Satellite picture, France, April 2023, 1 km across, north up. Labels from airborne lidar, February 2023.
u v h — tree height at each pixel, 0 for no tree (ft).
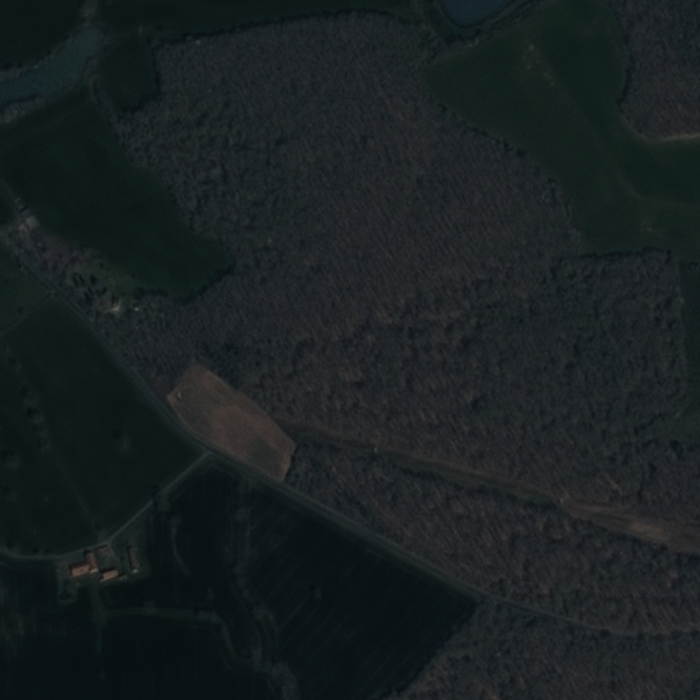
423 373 71
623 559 64
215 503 0
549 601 45
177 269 0
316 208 70
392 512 74
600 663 61
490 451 68
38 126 0
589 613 54
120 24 0
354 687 0
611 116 0
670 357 30
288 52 78
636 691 62
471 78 0
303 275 73
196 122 23
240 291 80
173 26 0
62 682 0
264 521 0
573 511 0
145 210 0
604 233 0
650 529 0
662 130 69
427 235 90
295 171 79
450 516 85
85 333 0
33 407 48
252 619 46
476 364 61
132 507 0
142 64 0
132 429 0
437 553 67
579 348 71
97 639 0
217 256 0
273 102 79
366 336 88
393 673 0
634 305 73
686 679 78
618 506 71
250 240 64
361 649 0
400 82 60
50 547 0
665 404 65
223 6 0
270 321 65
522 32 0
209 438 0
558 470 79
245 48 59
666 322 28
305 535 0
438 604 0
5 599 0
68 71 0
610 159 0
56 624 0
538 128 0
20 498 0
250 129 79
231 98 81
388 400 80
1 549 0
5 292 0
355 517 50
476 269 77
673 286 57
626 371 61
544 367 63
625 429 49
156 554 0
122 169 0
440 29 0
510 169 82
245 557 0
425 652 0
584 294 73
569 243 77
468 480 0
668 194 0
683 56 73
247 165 80
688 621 77
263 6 0
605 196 0
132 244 0
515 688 74
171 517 43
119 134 45
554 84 0
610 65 0
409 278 89
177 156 39
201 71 85
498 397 77
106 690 0
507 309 74
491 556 79
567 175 0
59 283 38
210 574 0
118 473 0
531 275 78
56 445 0
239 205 69
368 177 86
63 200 0
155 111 76
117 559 0
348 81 84
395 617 0
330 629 0
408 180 83
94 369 0
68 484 0
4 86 0
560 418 80
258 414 0
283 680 54
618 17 32
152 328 59
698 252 0
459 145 70
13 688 0
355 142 85
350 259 81
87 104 0
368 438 26
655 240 0
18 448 0
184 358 76
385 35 55
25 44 0
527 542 70
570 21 0
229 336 81
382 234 86
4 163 0
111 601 0
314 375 80
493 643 27
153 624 0
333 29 73
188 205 61
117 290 0
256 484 0
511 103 0
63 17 0
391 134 81
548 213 76
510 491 0
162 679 0
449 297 79
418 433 77
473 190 81
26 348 0
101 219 0
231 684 0
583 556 77
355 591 0
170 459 0
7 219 0
